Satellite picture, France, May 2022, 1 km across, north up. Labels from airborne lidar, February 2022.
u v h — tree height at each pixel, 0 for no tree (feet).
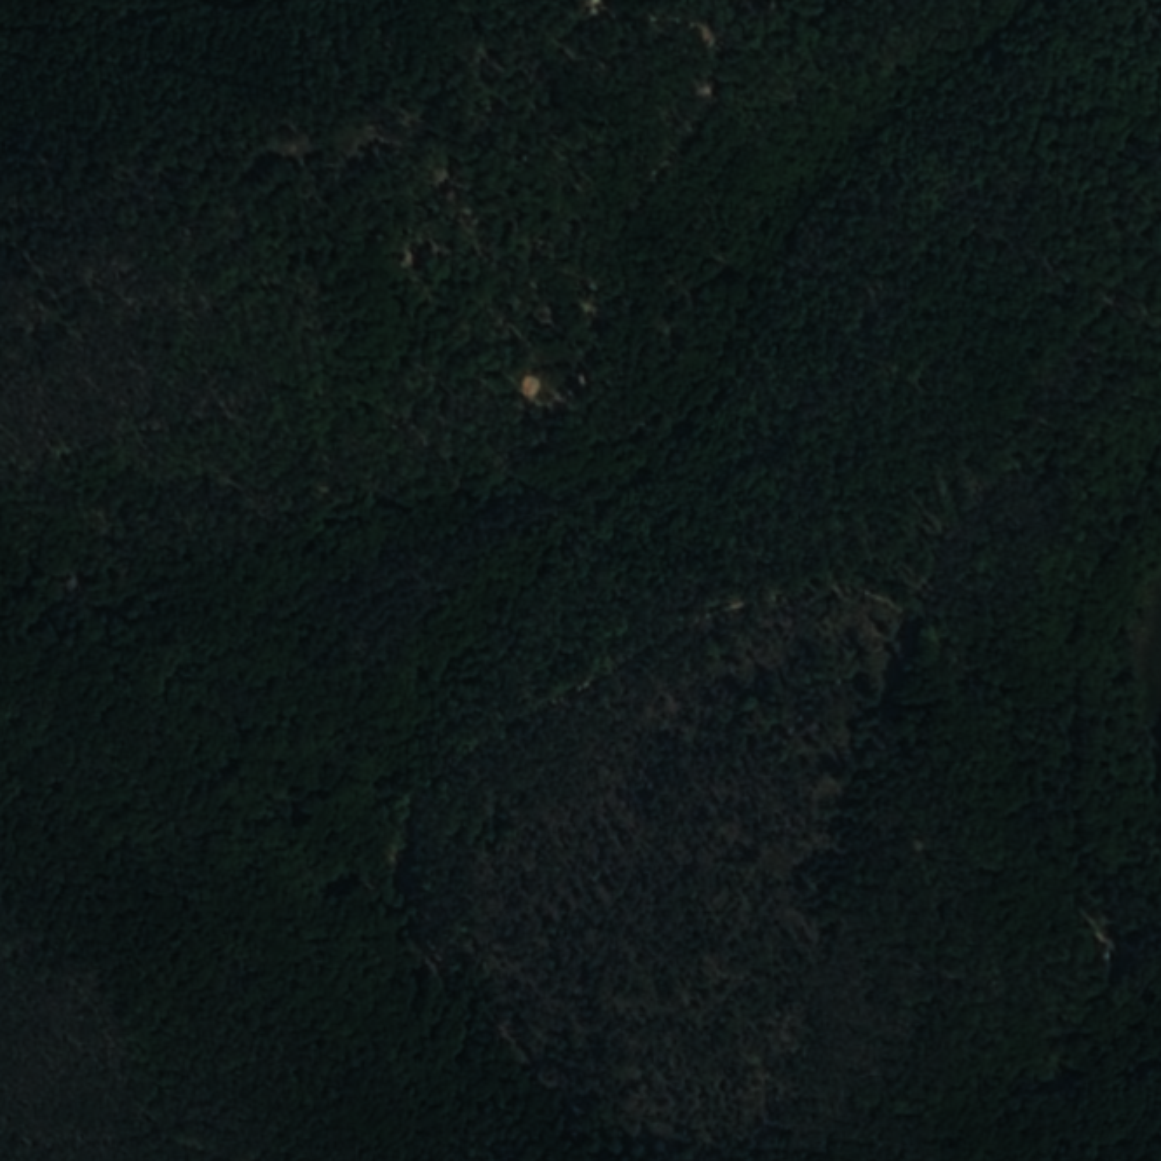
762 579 88
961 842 88
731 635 77
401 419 78
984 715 101
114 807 68
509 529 112
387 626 109
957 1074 92
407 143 89
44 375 66
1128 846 100
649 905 79
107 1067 73
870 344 85
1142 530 101
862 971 64
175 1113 73
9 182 86
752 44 102
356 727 90
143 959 84
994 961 85
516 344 101
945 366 91
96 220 79
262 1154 65
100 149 96
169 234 72
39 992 56
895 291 97
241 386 73
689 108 75
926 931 76
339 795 108
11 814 71
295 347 85
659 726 92
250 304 76
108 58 77
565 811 87
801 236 83
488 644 92
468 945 62
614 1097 101
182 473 93
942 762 85
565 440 97
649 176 0
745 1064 75
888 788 90
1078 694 94
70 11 89
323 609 96
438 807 94
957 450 78
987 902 94
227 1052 80
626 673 80
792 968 82
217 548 97
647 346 94
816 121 89
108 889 73
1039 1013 97
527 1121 113
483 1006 89
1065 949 83
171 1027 65
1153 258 92
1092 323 96
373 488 96
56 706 86
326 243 92
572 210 91
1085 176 103
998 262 76
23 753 82
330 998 99
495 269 105
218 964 91
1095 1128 101
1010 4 93
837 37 102
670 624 78
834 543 82
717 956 76
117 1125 74
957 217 85
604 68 92
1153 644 0
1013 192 96
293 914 99
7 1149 69
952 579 74
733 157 88
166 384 76
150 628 101
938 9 86
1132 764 104
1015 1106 99
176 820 98
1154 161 100
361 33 87
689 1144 86
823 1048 65
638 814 95
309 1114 80
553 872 79
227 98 90
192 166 64
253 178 56
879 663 0
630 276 90
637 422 90
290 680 89
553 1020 97
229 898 98
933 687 97
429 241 105
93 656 104
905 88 102
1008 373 81
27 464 77
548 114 98
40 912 82
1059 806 84
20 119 90
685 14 89
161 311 71
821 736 94
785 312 115
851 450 74
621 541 0
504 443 109
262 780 101
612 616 100
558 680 78
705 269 110
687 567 76
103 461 74
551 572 95
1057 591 81
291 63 92
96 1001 64
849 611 91
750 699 93
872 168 93
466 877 89
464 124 94
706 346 99
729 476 82
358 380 96
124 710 90
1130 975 109
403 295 117
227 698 122
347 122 74
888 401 74
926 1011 66
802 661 99
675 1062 62
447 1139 72
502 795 90
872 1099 68
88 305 75
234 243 79
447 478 92
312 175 82
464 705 104
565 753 86
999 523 79
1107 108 103
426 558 85
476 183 100
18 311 71
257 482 85
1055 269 93
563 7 93
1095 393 76
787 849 89
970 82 118
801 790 85
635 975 68
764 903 73
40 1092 64
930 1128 70
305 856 98
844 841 52
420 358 83
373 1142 66
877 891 88
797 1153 66
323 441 77
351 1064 88
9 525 92
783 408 58
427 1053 99
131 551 97
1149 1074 84
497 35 94
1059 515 98
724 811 87
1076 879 83
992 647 106
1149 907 127
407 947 114
